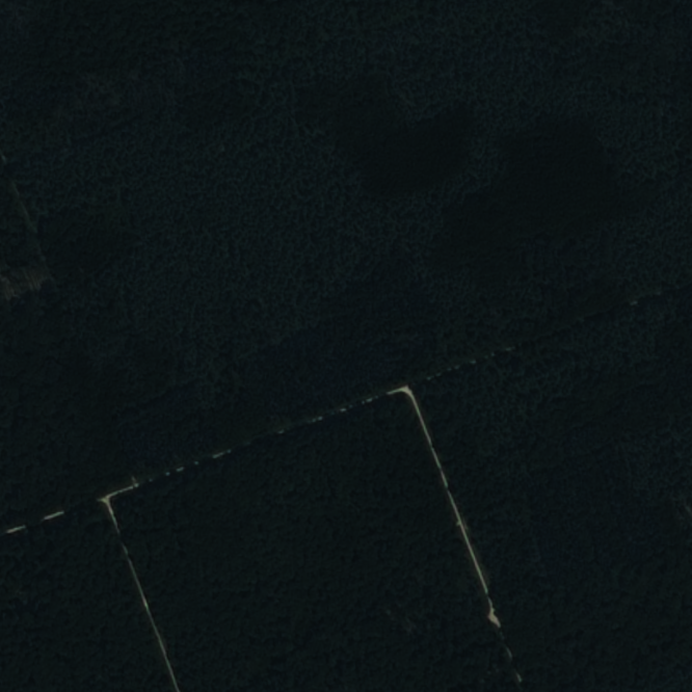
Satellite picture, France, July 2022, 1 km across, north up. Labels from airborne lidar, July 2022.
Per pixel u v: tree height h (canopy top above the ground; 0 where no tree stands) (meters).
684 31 20
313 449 27
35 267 25
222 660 27
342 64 18
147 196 20
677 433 24
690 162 15
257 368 20
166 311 24
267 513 25
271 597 25
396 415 27
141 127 23
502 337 14
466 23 11
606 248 22
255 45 22
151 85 17
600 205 21
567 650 27
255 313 13
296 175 17
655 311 23
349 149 20
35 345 19
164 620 22
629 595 28
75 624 28
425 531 22
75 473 28
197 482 28
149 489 23
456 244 25
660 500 22
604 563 25
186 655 27
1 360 25
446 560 25
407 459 29
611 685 22
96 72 20
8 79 7
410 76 13
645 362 20
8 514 15
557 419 23
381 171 26
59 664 27
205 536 25
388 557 27
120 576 29
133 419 20
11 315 22
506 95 27
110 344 18
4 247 6
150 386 18
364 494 30
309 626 12
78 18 27
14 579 30
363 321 19
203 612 25
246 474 25
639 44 19
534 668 25
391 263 25
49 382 26
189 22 25
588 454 17
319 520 30
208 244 23
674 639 21
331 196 22
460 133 25
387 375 20
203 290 24
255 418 20
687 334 18
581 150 26
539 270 23
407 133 29
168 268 23
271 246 23
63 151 19
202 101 19
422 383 21
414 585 25
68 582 30
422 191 26
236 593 27
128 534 27
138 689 11
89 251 21
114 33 20
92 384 24
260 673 7
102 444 27
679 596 31
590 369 12
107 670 28
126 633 26
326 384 23
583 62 23
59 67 22
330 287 18
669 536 23
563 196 28
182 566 25
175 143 22
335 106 17
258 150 23
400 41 18
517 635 25
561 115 24
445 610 27
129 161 20
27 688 25
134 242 14
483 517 11
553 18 20
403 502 28
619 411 20
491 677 27
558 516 16
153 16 24
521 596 18
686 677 26
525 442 23
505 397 26
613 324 24
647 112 21
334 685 28
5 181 17
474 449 18
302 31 17
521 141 25
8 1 22
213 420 17
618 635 31
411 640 29
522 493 20
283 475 27
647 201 19
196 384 24
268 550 22
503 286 24
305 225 24
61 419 23
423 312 21
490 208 26
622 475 19
